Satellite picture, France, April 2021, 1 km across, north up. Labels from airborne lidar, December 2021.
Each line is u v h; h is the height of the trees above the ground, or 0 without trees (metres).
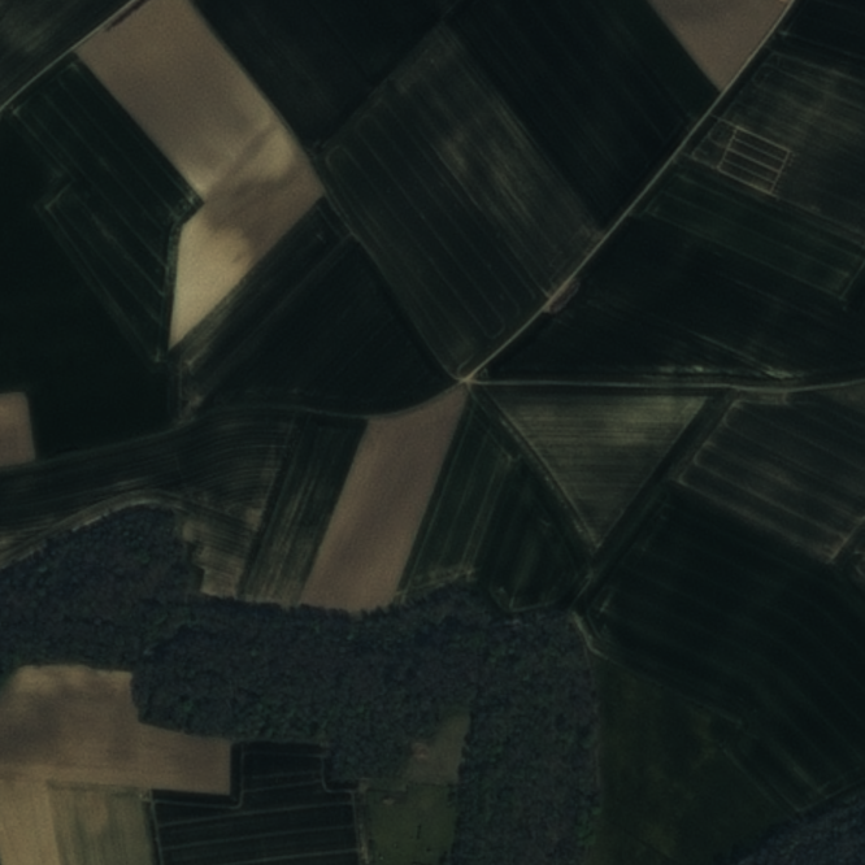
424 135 0
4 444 0
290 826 0
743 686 0
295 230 0
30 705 0
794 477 0
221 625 26
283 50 0
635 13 0
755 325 0
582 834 24
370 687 25
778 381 0
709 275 0
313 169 0
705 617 0
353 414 0
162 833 0
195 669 24
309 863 0
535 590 0
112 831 0
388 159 0
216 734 23
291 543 0
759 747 0
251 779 0
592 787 23
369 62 0
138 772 0
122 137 0
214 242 0
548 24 0
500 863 21
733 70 0
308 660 27
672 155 0
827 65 0
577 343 0
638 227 0
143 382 0
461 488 0
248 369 0
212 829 0
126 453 0
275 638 27
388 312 0
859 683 0
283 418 0
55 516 0
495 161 0
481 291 0
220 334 0
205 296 0
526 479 0
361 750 26
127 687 0
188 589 22
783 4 0
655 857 0
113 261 0
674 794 0
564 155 0
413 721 23
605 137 0
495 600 0
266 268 0
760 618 0
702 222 0
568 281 0
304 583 0
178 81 0
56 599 25
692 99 0
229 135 0
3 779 0
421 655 22
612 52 0
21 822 0
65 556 17
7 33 0
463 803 12
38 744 0
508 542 0
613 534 0
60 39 0
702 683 0
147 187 0
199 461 0
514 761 22
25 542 0
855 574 0
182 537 0
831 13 0
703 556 0
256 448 0
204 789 0
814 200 0
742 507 0
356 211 0
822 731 0
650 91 0
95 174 0
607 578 0
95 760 0
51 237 0
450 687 23
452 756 0
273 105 0
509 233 0
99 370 0
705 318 0
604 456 0
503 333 0
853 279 0
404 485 0
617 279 0
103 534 10
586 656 14
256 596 0
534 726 10
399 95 0
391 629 11
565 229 0
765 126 0
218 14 0
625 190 0
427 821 0
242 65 0
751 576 0
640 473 0
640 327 0
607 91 0
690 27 0
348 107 0
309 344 0
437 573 0
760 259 0
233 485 0
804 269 0
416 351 0
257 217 0
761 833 0
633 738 0
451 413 0
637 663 0
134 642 25
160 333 0
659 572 0
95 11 0
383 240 0
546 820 22
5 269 0
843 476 0
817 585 0
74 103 0
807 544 0
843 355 0
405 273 0
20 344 0
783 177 0
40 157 0
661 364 0
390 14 0
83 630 22
